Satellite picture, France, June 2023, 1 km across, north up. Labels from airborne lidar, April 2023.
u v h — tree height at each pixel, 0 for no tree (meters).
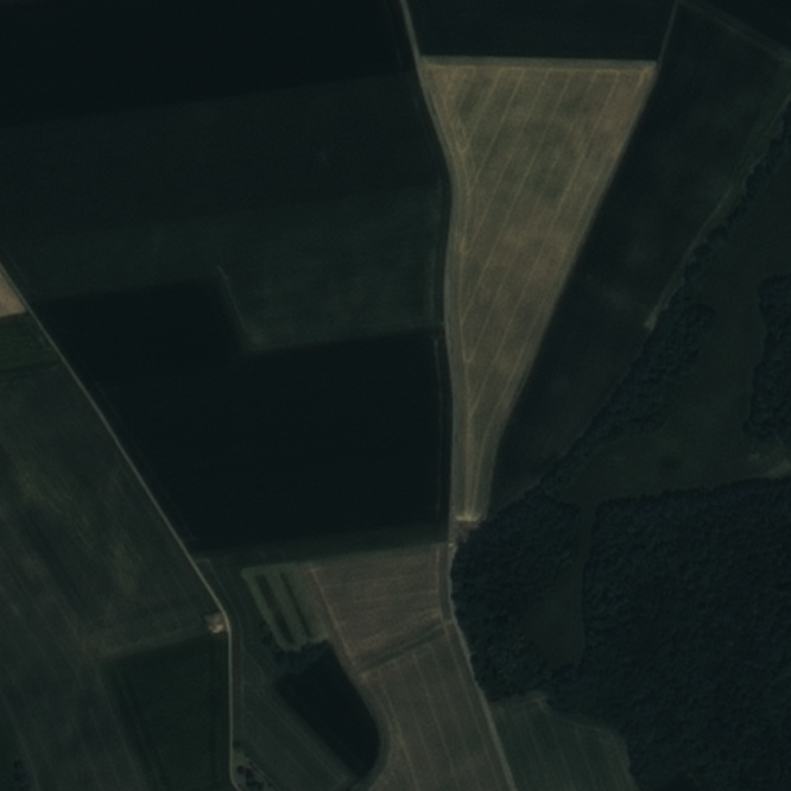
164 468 0
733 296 0
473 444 0
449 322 0
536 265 0
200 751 0
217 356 0
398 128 0
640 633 29
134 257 0
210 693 0
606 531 20
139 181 0
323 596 0
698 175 0
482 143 0
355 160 0
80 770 0
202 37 0
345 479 0
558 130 0
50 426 0
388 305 0
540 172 0
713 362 0
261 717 0
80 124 0
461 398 0
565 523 21
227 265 0
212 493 0
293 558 0
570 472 15
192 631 0
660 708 29
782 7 0
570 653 0
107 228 0
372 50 0
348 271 0
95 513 0
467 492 0
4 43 0
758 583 22
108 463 0
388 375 0
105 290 0
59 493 0
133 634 0
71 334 0
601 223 0
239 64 0
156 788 0
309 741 0
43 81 0
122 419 0
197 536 0
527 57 0
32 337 0
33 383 0
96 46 0
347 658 0
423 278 0
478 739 0
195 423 0
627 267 0
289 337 0
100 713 0
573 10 0
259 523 0
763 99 0
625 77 0
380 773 0
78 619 0
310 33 0
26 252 0
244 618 0
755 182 15
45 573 0
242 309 0
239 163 0
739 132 0
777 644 24
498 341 0
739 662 24
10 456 0
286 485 0
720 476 0
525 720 0
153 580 0
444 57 0
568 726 0
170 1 0
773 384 17
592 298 0
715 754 24
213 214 0
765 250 0
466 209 0
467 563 21
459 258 0
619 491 0
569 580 0
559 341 0
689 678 28
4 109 0
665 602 30
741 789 24
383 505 0
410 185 0
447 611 0
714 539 21
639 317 0
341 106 0
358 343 0
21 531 0
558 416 0
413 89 0
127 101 0
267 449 0
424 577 0
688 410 0
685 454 0
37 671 0
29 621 0
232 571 0
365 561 0
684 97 0
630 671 28
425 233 0
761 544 18
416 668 0
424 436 0
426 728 0
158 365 0
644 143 0
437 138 0
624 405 18
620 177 0
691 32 0
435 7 0
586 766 0
